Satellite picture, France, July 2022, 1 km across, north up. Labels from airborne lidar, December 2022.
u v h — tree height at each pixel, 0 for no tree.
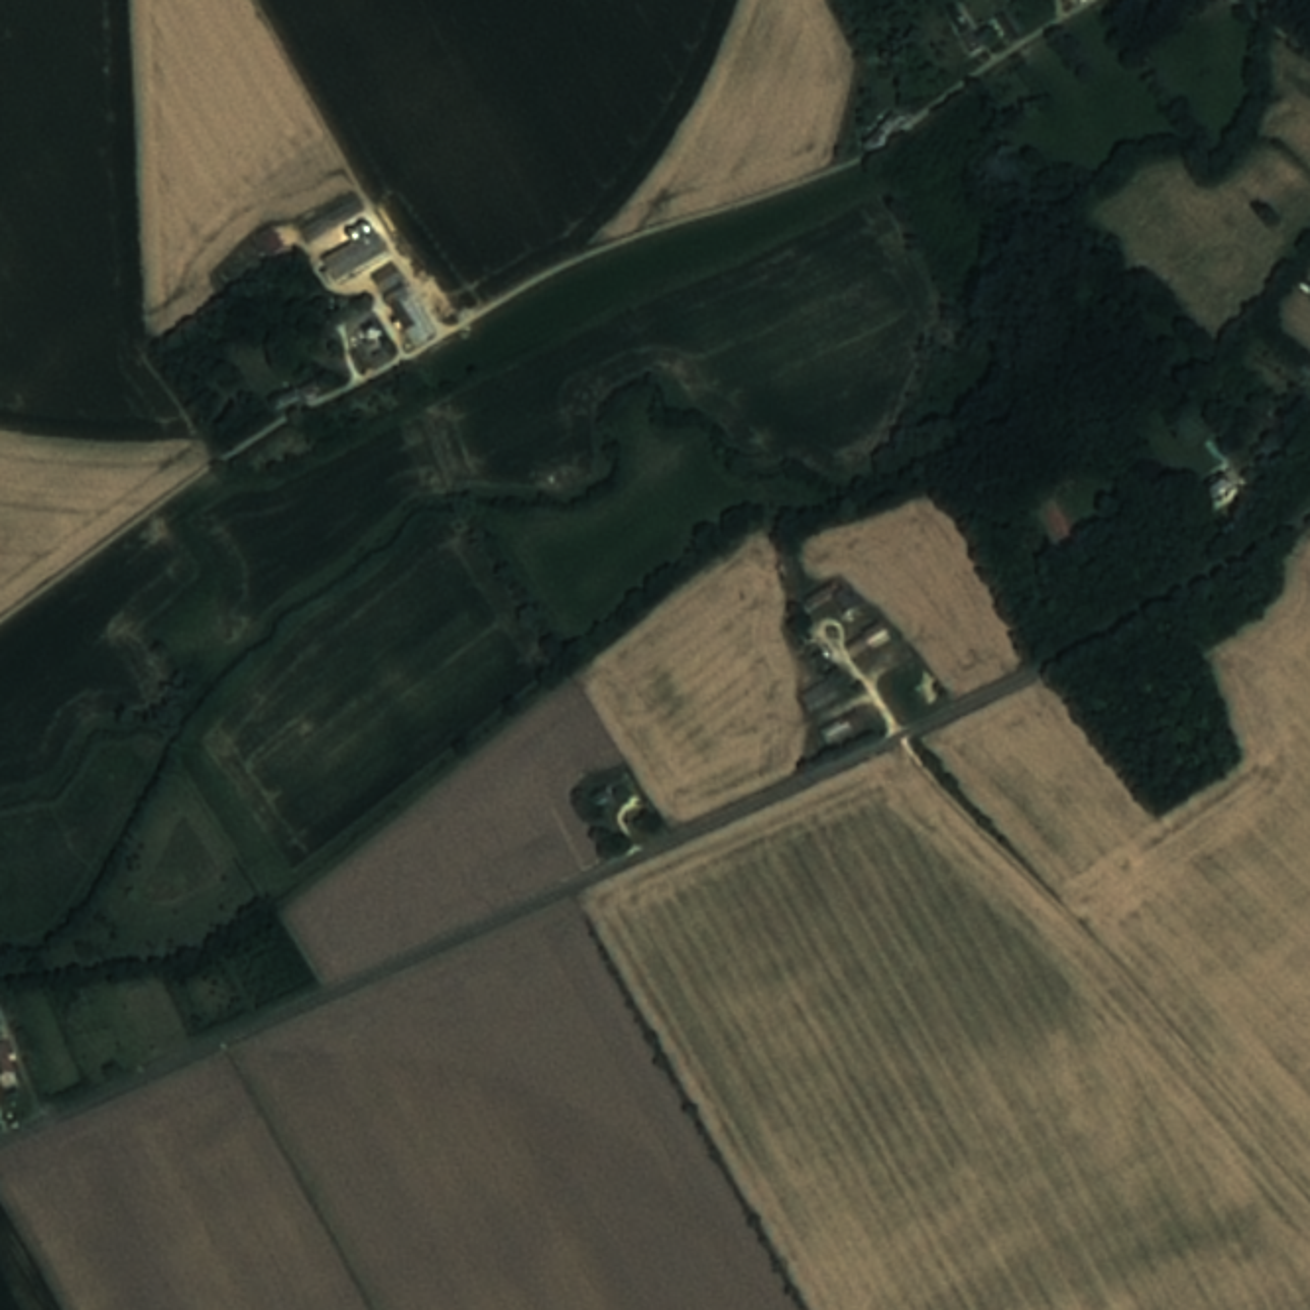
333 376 10
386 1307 0
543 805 0
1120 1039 0
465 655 0
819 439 0
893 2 12
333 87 0
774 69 0
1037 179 8
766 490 0
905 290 0
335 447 9
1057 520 0
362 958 0
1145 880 0
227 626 0
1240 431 19
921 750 7
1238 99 0
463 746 10
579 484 0
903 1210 0
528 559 0
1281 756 0
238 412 20
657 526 0
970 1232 0
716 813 0
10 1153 0
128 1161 0
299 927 0
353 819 0
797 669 0
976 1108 0
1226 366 17
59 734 0
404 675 0
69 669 0
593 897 0
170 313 0
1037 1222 0
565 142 0
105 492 0
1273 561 17
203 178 0
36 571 0
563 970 0
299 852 0
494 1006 0
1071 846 0
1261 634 0
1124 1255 0
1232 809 0
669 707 0
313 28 0
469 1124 0
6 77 0
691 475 0
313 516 0
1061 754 0
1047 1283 0
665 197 0
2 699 0
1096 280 30
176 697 19
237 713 0
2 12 0
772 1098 0
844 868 0
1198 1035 0
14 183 0
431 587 0
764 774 0
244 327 18
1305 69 0
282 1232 0
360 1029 0
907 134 11
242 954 10
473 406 0
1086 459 23
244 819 0
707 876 0
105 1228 0
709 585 0
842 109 0
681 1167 0
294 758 0
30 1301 0
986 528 27
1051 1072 0
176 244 0
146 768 0
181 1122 0
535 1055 0
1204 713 19
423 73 0
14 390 0
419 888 0
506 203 0
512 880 0
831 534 0
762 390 0
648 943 0
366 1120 0
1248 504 19
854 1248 0
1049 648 21
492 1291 0
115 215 0
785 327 0
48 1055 0
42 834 0
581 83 0
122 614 0
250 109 0
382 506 0
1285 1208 0
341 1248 0
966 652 0
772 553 0
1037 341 41
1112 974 0
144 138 0
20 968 17
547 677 15
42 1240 0
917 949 0
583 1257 0
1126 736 18
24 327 0
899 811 0
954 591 0
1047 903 0
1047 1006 0
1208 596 21
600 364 0
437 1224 0
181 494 0
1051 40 14
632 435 0
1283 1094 0
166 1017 0
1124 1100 0
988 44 16
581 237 0
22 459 0
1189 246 0
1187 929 0
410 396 11
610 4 0
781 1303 0
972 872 0
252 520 0
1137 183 0
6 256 0
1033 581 20
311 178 8
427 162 0
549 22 0
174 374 17
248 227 0
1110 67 0
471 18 0
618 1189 0
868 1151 0
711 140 0
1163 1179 0
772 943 0
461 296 0
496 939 0
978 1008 0
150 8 0
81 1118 0
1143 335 24
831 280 0
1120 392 29
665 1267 0
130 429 0
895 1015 0
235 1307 0
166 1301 0
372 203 0
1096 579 24
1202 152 26
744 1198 6
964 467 25
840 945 0
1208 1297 0
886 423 0
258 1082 0
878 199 0
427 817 0
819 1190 0
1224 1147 0
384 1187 0
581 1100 0
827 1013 0
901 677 0
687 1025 0
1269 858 0
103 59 0
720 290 0
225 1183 0
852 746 14
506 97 0
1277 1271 0
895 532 0
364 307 10
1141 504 23
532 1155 0
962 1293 0
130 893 9
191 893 0
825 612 0
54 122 0
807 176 0
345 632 0
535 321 0
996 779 0
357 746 0
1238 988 0
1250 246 0
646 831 10
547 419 0
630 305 0
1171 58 0
